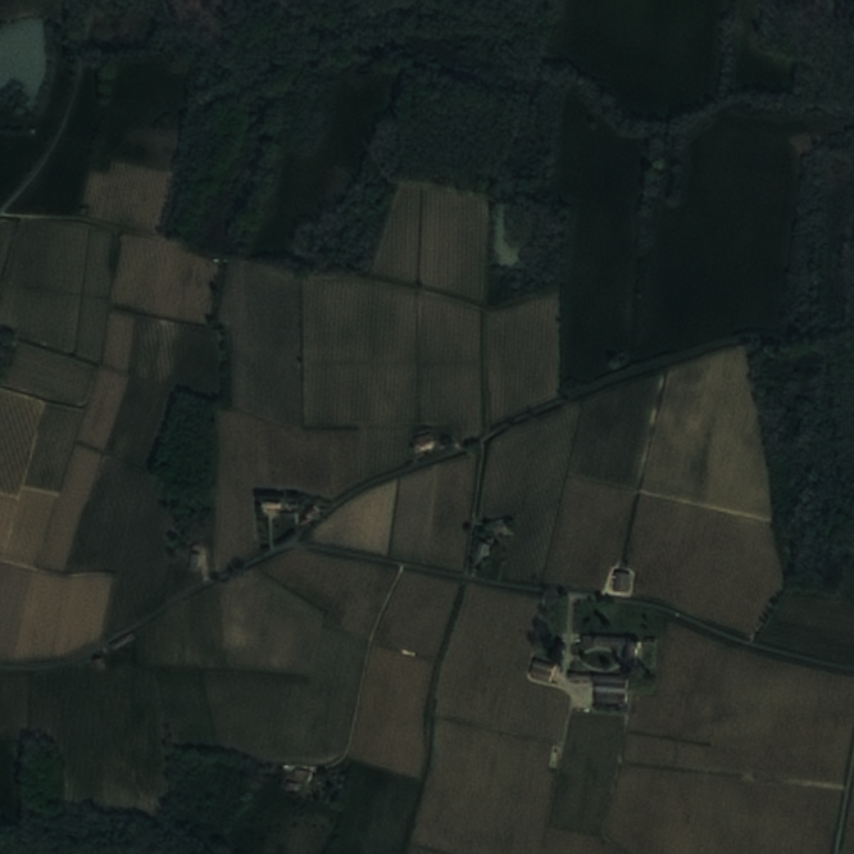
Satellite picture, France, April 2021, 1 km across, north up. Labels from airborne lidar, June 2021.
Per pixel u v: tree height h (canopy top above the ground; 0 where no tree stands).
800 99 20
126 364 0
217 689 0
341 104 0
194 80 7
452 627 0
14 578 0
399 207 0
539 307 0
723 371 0
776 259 0
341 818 0
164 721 0
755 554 0
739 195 0
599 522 0
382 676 0
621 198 0
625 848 0
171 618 0
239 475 0
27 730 0
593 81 17
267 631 0
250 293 0
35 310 0
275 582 0
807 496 20
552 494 0
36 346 0
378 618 0
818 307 13
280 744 0
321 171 0
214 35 18
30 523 0
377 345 0
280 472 0
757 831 0
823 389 17
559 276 9
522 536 0
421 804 0
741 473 0
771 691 0
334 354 0
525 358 0
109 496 0
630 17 0
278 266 18
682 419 0
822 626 0
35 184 0
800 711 0
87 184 0
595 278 0
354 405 0
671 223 0
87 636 0
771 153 0
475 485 0
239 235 8
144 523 0
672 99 0
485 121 16
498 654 0
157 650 0
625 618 0
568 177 0
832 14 14
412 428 0
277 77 23
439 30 24
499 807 0
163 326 0
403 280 0
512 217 20
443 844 0
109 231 0
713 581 0
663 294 0
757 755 0
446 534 0
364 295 0
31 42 0
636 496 0
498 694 0
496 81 7
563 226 18
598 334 0
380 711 0
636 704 0
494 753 0
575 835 0
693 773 0
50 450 0
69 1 16
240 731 0
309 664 0
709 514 0
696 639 0
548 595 17
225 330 9
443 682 0
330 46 24
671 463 0
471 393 0
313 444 0
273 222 0
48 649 0
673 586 0
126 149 0
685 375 0
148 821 20
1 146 0
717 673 0
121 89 0
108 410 0
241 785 7
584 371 0
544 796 0
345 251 8
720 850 0
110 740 0
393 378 0
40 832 21
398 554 0
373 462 0
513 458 0
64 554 0
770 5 15
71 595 0
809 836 0
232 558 0
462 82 22
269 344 0
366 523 0
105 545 0
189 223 20
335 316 0
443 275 0
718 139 0
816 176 7
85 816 19
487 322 0
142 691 0
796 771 0
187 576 0
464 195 12
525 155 11
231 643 0
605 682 0
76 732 0
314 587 0
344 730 0
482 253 0
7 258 0
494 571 0
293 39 28
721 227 0
